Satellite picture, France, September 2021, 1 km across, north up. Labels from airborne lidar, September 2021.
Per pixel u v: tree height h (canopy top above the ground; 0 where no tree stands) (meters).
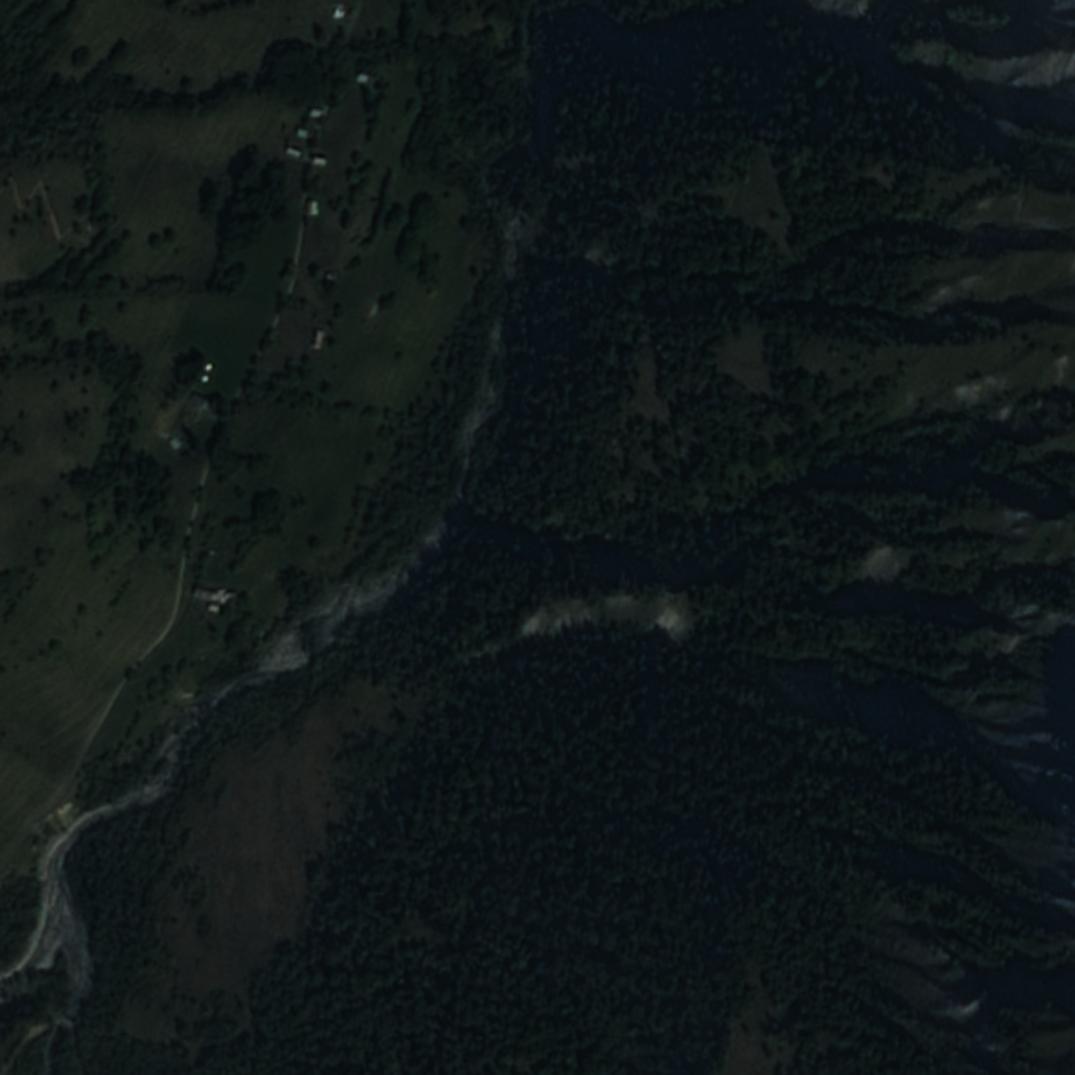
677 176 16
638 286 17
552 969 23
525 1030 15
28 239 0
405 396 0
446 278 0
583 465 13
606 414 13
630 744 9
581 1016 11
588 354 16
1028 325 9
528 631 0
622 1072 12
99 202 13
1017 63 0
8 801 0
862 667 6
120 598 9
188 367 18
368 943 14
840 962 14
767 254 11
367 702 0
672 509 15
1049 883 0
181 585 0
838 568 12
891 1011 9
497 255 8
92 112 9
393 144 0
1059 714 0
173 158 0
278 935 0
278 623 11
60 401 0
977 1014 0
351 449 0
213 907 0
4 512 0
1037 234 0
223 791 0
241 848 0
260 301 0
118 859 7
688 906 15
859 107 13
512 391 7
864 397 7
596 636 25
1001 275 0
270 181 11
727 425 12
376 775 7
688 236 18
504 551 15
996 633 0
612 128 20
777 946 12
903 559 0
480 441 9
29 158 7
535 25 9
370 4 0
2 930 12
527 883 21
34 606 0
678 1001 9
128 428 9
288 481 0
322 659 9
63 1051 12
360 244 6
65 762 0
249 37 0
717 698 10
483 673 16
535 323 23
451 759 18
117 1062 6
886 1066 9
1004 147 0
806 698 0
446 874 10
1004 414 0
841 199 20
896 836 6
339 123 0
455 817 7
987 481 0
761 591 11
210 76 0
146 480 18
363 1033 11
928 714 0
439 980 9
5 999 9
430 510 9
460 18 9
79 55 10
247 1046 10
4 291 7
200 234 0
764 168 0
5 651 0
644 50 11
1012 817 8
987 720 0
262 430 0
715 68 13
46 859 0
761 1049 0
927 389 0
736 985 8
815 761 10
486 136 10
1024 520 0
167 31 0
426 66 16
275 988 12
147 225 0
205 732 13
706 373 12
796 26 15
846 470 10
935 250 8
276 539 12
